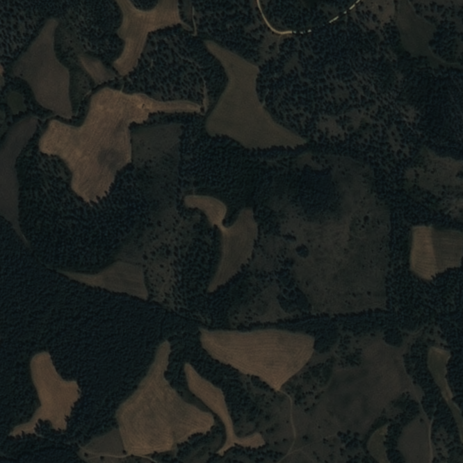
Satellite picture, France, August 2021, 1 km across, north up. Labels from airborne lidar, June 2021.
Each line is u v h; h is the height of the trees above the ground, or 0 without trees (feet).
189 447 39
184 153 41
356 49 53
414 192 20
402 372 0
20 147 0
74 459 41
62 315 53
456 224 45
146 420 0
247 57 48
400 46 58
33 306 55
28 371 19
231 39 44
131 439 0
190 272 48
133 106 0
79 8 33
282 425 0
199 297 52
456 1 0
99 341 46
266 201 23
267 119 0
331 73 34
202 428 0
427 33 0
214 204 0
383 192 47
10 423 67
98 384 54
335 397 0
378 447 0
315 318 39
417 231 0
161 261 0
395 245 46
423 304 36
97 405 49
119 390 37
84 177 0
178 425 0
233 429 0
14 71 0
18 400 51
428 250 0
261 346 0
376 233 0
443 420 30
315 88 39
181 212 21
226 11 33
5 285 36
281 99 47
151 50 0
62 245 53
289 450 0
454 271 24
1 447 29
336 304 0
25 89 23
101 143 0
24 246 41
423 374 22
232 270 0
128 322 53
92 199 0
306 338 0
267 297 0
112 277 0
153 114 20
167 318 52
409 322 41
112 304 65
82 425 47
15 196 0
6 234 42
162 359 0
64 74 0
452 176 0
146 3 50
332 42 44
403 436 0
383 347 0
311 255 0
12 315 45
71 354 55
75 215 57
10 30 44
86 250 32
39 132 21
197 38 25
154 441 0
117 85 34
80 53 0
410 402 21
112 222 40
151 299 26
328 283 0
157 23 0
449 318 35
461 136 59
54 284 49
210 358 34
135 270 0
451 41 45
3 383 56
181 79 47
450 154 45
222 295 29
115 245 34
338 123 37
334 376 0
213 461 47
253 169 40
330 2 37
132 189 27
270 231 24
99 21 39
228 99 0
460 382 28
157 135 0
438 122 53
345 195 0
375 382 0
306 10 32
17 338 50
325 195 47
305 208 30
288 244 0
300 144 0
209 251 55
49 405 0
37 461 53
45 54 0
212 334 0
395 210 41
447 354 0
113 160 0
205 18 30
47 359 0
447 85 23
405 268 32
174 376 46
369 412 0
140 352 44
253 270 0
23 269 48
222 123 0
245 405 36
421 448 0
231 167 49
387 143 23
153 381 0
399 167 29
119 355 57
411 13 0
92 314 58
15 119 44
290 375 0
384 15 0
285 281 36
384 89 39
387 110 44
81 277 0
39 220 33
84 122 0
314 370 20
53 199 57
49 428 51
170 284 0
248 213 0
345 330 31
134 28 0
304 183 41
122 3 0
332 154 47
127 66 0
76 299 56
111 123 0
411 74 44
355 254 0
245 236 0
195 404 0
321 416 0
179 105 0
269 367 0
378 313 45
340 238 0
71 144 0
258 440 0
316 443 0
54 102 0
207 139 50
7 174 0
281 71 51
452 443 24
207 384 0
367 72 45
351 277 0
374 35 39
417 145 38
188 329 43
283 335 0
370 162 35
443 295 41
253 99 0
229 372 25
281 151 58
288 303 33
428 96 50
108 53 45
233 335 0
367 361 0
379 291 0
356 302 0
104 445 0
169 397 0
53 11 41
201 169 37
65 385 0
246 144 0
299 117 30
